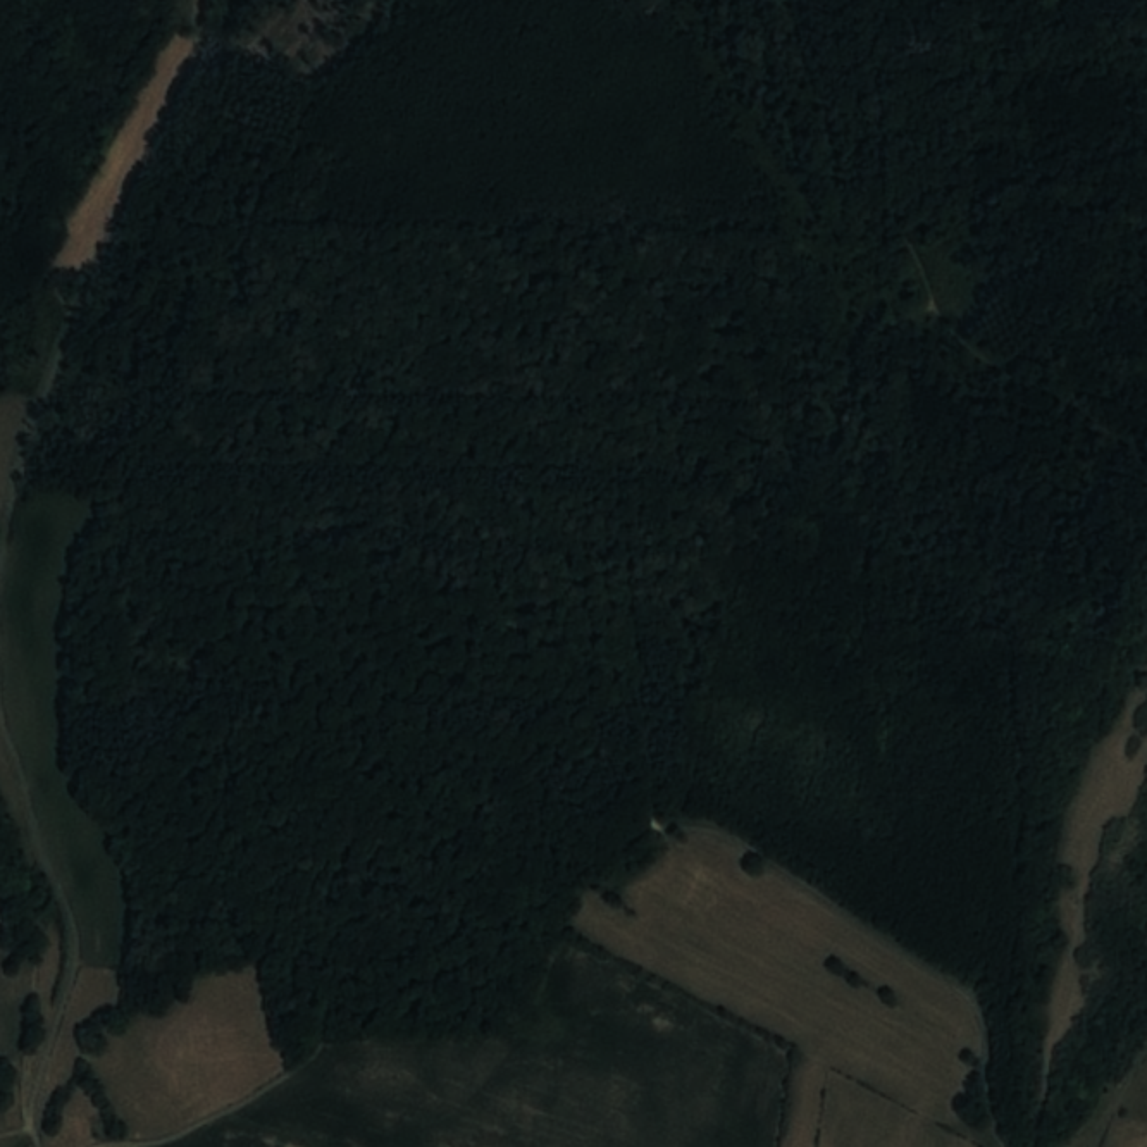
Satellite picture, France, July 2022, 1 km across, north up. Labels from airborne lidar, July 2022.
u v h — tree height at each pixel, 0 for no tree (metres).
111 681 27
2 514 0
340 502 21
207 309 27
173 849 27
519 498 20
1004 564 27
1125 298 18
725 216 15
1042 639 27
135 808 25
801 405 16
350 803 25
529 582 24
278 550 22
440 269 24
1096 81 18
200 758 24
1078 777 9
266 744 24
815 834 13
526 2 19
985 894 14
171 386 24
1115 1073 20
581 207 15
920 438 19
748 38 32
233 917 11
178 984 19
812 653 15
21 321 25
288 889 22
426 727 24
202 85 27
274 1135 0
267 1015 13
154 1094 0
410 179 16
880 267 11
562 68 18
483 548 20
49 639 0
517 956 26
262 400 23
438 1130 0
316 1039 24
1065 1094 13
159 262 23
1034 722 20
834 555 23
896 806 12
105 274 24
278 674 29
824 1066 0
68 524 0
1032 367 21
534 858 25
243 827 28
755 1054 0
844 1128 0
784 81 23
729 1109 0
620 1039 0
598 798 24
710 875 0
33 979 0
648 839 20
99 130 25
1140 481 26
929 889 16
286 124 38
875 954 0
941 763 15
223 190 13
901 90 26
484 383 25
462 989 26
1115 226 21
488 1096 0
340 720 31
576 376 23
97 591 24
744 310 26
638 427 26
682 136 17
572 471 24
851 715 12
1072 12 26
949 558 30
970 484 15
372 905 28
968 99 23
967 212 24
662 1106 0
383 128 17
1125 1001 11
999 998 12
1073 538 22
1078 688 20
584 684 23
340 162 15
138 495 20
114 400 7
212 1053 0
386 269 26
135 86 24
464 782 28
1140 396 25
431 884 27
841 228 24
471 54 20
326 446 25
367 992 17
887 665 14
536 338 21
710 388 25
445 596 23
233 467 24
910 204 24
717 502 25
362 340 23
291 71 29
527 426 21
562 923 16
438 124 15
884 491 23
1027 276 27
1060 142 18
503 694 19
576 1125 0
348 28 25
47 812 0
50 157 24
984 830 15
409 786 30
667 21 16
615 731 23
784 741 7
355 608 30
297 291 26
